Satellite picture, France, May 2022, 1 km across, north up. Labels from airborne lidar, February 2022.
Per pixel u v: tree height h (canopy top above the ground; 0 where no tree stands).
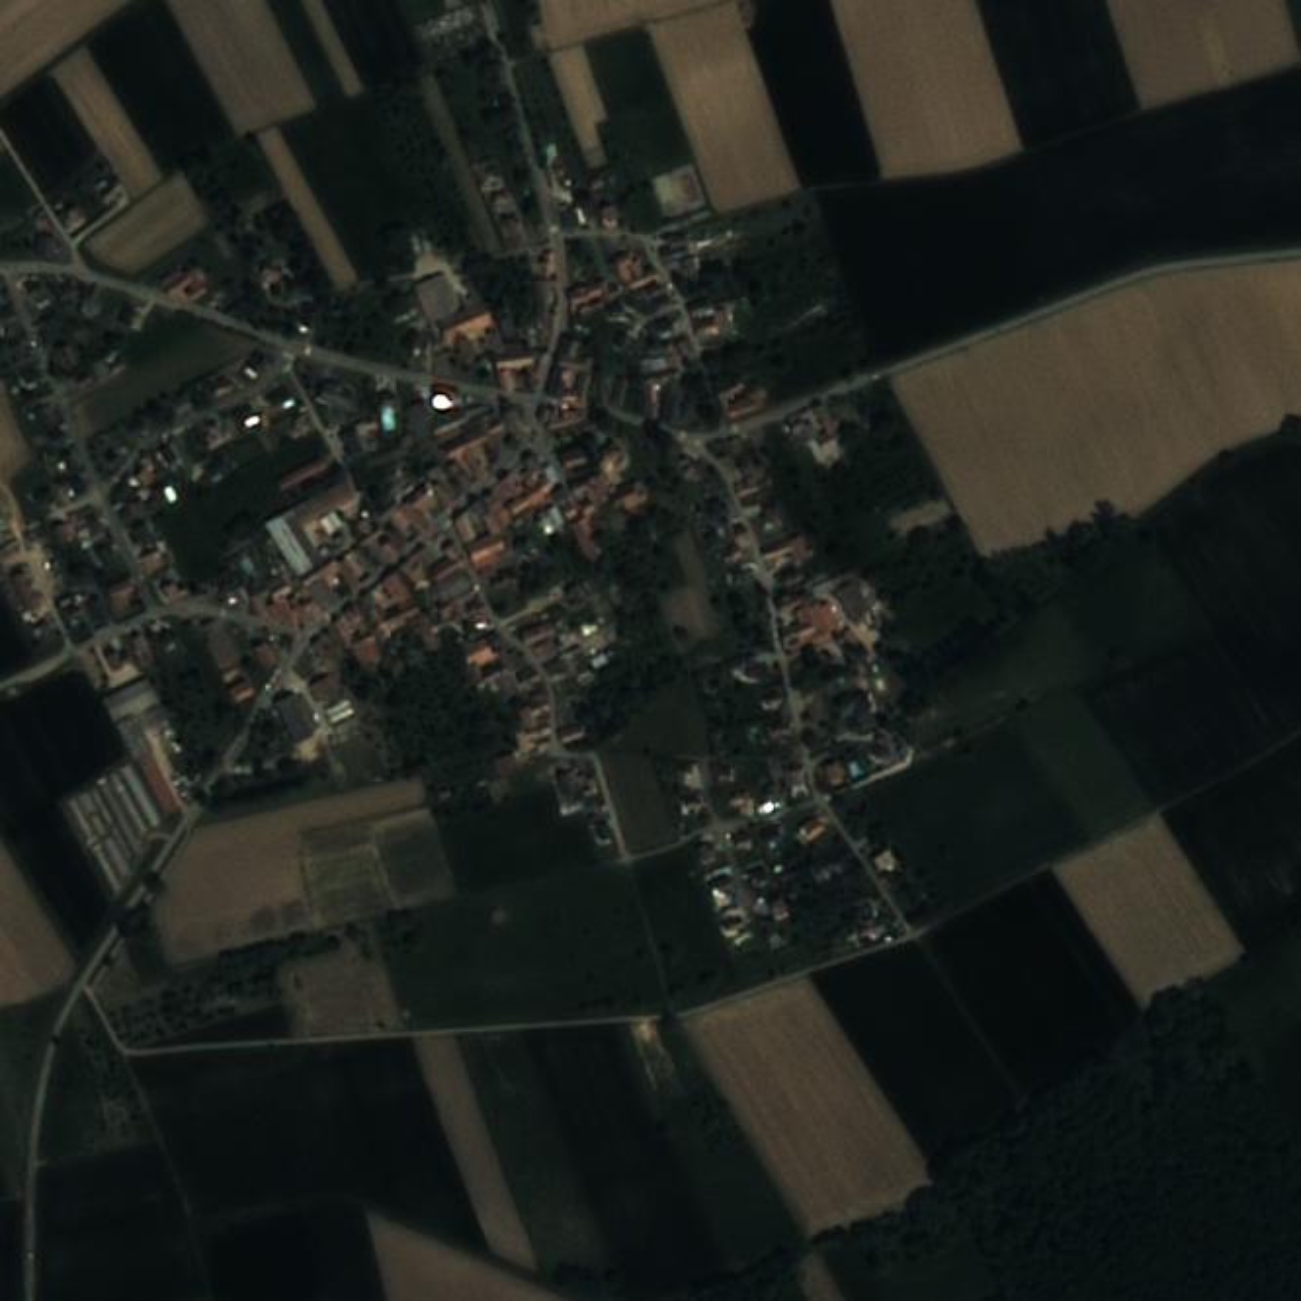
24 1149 0
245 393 0
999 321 0
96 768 0
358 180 0
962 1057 0
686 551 0
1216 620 0
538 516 7
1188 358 0
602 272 0
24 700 0
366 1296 0
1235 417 0
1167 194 0
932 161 0
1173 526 0
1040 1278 24
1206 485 0
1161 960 0
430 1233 0
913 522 0
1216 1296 28
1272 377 0
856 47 0
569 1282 21
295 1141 0
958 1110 0
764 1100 0
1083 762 0
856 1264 0
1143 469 0
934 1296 0
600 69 0
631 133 0
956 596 0
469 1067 0
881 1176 0
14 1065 0
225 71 0
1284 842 0
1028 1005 0
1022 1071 0
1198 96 0
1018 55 0
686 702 0
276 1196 0
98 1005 0
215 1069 0
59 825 0
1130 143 0
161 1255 0
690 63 0
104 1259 0
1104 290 0
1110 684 0
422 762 9
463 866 0
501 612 9
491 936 0
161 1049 0
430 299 0
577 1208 0
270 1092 0
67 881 0
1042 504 0
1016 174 0
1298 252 0
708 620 0
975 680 0
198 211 0
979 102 0
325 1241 0
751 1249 0
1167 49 0
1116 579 0
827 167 0
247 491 0
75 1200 0
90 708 0
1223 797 0
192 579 0
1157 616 0
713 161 0
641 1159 0
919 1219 16
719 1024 0
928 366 0
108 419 0
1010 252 0
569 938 0
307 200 0
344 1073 0
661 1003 0
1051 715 0
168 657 0
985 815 0
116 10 0
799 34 0
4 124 0
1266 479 0
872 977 0
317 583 0
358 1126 0
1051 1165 25
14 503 0
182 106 0
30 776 0
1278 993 0
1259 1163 24
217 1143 0
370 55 0
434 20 0
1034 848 0
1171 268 0
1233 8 0
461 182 0
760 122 0
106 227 0
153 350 0
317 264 11
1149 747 0
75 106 0
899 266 0
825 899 13
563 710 0
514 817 0
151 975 0
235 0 0
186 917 0
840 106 0
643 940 0
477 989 0
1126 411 0
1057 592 0
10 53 0
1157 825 0
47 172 0
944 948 0
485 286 15
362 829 0
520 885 0
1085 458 0
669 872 0
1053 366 0
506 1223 0
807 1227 0
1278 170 0
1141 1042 0
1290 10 0
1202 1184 22
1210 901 0
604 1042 0
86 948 0
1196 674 0
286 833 0
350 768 0
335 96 0
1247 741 0
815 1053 0
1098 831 0
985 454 0
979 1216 27
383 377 0
